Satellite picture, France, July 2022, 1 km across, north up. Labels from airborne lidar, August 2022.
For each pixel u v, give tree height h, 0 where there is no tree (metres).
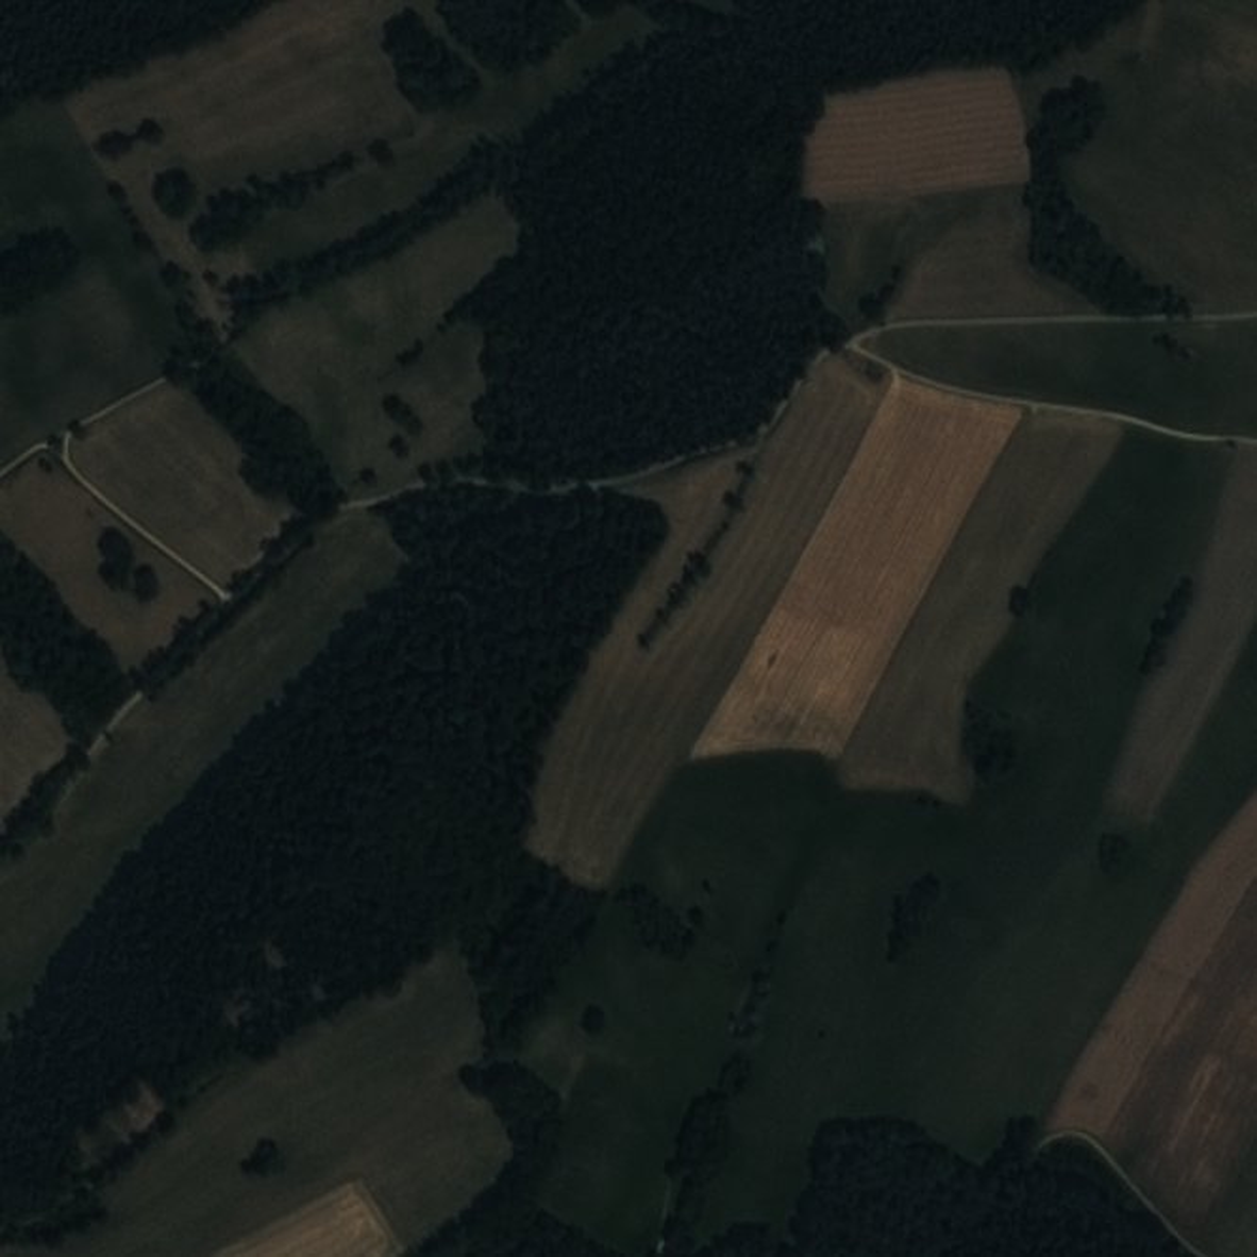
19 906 0
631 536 19
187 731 0
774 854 0
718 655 0
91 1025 27
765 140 18
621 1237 0
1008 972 0
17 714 0
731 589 0
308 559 0
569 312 23
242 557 0
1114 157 0
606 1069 0
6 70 17
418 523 20
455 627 27
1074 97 14
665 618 17
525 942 23
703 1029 0
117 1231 0
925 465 0
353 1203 0
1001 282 0
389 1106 0
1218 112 0
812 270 13
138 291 0
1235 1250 0
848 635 0
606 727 0
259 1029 16
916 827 0
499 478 15
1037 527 0
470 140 0
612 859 0
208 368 14
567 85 0
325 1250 0
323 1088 0
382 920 18
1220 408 0
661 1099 0
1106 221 0
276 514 0
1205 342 0
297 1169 0
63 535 0
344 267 15
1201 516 0
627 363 23
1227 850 0
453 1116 0
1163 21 0
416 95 24
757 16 28
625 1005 0
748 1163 0
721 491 0
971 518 0
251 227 14
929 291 0
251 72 0
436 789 21
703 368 22
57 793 17
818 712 0
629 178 20
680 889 0
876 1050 0
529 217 16
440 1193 0
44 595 13
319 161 0
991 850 0
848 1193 22
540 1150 22
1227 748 0
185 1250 0
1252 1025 0
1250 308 0
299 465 18
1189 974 0
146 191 0
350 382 0
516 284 18
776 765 0
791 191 20
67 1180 12
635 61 19
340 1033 0
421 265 0
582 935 18
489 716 22
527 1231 15
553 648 20
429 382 0
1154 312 7
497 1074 17
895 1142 19
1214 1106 0
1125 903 0
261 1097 0
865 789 0
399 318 0
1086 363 0
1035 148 15
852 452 0
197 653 11
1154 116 0
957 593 0
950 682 0
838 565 0
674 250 19
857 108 0
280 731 17
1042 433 0
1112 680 0
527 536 32
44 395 0
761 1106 0
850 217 0
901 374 0
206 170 0
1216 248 0
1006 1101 0
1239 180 0
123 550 15
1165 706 0
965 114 0
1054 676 0
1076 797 0
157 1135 7
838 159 0
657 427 16
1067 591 0
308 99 0
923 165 0
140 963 26
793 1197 0
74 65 17
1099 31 21
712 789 0
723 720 0
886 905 0
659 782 0
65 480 0
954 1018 0
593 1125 0
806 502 0
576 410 23
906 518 0
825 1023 0
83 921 0
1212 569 0
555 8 23
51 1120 20
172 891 22
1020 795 0
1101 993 0
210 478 0
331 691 21
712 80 18
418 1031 0
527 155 17
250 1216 0
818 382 0
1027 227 0
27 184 0
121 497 0
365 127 0
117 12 23
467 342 0
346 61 0
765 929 0
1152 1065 0
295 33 0
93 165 0
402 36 22
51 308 0
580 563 26
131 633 0
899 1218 26
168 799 0
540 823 0
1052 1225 21
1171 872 0
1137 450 0
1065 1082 0
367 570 0
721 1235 0
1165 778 0
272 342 0
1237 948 0
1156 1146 0
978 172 0
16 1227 14
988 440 0
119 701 10
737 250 22
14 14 27
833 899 0
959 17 25
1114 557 0
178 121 0
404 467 0
